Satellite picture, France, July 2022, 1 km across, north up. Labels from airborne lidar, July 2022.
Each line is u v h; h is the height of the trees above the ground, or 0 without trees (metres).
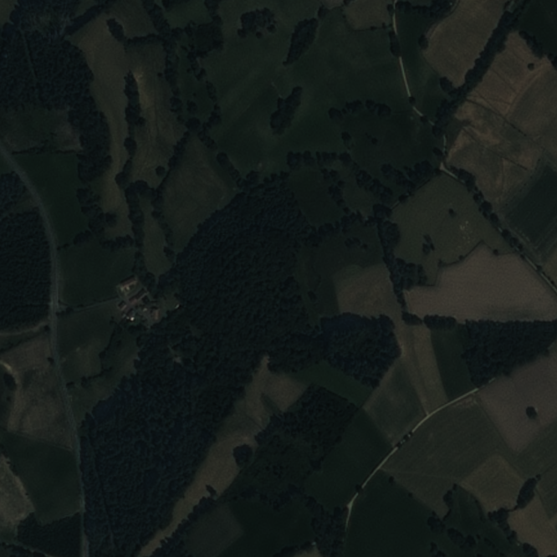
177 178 0
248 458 27
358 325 41
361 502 0
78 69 17
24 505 0
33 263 8
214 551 0
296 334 29
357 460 0
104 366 8
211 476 0
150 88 0
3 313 11
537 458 0
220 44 18
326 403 6
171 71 19
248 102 0
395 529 0
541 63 0
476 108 0
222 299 21
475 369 18
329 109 0
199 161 0
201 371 18
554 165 0
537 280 0
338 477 0
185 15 0
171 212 0
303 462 0
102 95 0
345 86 0
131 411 12
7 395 0
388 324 33
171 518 13
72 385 9
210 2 21
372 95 0
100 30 0
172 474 41
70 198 0
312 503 24
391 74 0
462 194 0
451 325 17
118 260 0
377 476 0
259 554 0
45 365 0
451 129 0
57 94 20
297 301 24
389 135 0
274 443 18
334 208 0
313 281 0
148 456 42
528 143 0
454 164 0
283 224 19
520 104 0
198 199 0
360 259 0
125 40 9
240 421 0
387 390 0
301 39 13
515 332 18
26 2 33
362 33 0
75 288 0
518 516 0
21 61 21
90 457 26
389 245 33
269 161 0
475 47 0
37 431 0
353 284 0
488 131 0
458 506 0
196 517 21
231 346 28
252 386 0
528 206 0
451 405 0
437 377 0
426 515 0
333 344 40
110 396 0
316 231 17
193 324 5
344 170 0
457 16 0
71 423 0
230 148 0
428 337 0
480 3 0
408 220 0
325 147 0
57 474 0
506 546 0
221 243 20
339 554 24
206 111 0
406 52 0
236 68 0
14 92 29
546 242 0
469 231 0
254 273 23
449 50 0
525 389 0
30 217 10
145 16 0
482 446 0
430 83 0
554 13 0
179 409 9
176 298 11
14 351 0
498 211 0
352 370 35
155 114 0
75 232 0
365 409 0
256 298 15
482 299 0
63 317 9
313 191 0
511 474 0
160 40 12
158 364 17
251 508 0
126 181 21
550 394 0
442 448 0
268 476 0
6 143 0
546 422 0
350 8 0
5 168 0
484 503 0
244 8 0
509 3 7
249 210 22
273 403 0
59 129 0
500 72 0
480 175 0
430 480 0
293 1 0
